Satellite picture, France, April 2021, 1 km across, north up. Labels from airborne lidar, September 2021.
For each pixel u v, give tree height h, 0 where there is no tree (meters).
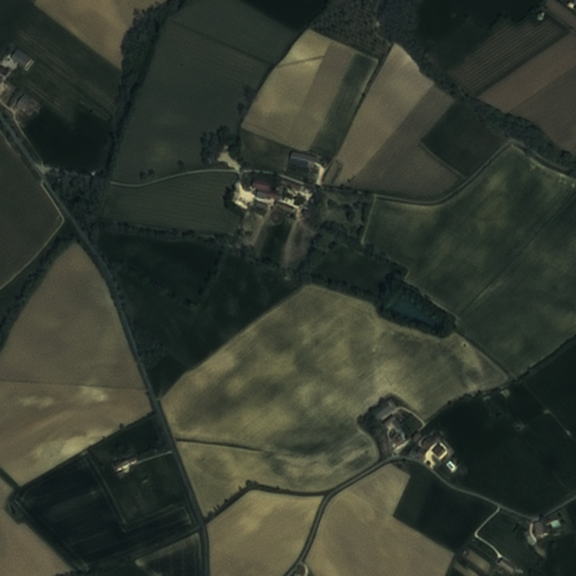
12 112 0
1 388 0
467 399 10
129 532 0
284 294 0
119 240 0
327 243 9
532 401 0
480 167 0
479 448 0
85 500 0
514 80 0
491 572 0
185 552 0
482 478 0
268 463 0
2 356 0
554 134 0
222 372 0
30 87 0
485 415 0
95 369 0
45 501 0
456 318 0
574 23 0
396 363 0
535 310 0
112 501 0
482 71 0
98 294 0
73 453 0
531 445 0
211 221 0
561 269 0
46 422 0
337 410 0
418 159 0
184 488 0
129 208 0
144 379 0
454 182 0
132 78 14
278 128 0
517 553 0
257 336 0
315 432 0
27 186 0
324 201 16
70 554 0
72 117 0
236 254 18
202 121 0
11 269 0
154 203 0
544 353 0
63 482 0
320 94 0
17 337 0
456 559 0
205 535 0
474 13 0
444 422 0
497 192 0
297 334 0
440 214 0
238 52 0
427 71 18
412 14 17
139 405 0
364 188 0
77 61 0
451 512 0
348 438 0
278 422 0
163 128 0
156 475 0
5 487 0
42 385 0
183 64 0
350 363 0
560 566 0
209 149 14
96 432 0
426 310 25
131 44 19
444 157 0
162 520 0
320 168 0
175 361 0
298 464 0
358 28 8
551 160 16
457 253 0
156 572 0
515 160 0
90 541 0
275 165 0
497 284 0
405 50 17
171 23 0
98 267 11
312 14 0
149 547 0
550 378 0
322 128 0
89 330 0
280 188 0
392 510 0
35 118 0
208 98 0
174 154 0
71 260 0
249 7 0
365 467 0
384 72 0
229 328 0
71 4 0
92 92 0
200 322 0
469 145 0
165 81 0
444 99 0
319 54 0
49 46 0
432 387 0
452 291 0
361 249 14
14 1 0
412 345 0
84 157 0
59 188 16
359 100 0
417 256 0
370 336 0
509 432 0
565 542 0
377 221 0
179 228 0
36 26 0
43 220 0
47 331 0
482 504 0
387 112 0
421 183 0
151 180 13
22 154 0
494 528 0
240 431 0
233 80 0
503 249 0
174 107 0
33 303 0
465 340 0
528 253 0
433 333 20
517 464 0
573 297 0
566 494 0
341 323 0
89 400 0
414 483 0
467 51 0
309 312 0
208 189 0
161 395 0
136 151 0
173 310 0
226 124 0
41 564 0
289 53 0
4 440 0
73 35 0
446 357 0
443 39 0
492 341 0
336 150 0
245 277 0
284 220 0
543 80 0
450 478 0
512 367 0
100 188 23
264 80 0
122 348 0
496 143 0
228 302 0
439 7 0
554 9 0
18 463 0
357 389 0
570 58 0
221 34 0
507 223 0
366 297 18
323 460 0
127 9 0
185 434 0
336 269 0
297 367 0
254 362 0
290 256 0
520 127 12
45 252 0
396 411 0
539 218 0
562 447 0
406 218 0
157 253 0
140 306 0
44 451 0
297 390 0
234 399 0
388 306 16
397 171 0
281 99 0
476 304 0
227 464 0
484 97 0
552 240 0
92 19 0
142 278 11
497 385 0
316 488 0
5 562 0
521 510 0
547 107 0
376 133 0
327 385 0
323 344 0
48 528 0
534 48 0
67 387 0
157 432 9
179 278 0
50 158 0
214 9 0
